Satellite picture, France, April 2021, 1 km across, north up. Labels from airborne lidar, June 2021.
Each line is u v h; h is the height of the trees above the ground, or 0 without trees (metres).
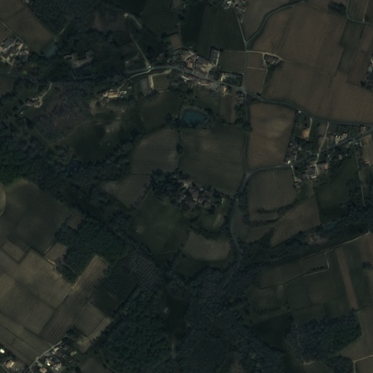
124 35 0
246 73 0
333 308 0
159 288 19
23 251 0
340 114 0
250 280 22
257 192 0
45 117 12
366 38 0
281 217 21
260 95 7
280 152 0
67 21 13
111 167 14
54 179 34
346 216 11
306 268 0
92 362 0
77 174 23
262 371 10
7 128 21
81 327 0
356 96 0
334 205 0
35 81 12
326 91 0
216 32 0
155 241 0
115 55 0
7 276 0
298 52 0
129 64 0
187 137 0
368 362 0
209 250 0
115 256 26
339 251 0
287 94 0
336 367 9
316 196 0
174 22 0
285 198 0
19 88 21
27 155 20
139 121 0
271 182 0
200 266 0
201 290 21
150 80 0
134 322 27
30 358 0
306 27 0
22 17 0
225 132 0
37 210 0
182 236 0
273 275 0
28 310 0
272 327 0
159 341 18
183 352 19
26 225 0
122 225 17
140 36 16
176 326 0
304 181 13
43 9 19
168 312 0
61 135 21
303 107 0
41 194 0
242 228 0
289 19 0
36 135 0
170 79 15
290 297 0
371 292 0
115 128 0
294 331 19
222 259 0
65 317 0
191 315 18
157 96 22
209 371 17
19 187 0
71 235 14
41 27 0
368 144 0
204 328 21
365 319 0
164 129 0
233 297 8
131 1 0
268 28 0
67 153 24
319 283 0
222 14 0
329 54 0
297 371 0
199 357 18
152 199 0
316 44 0
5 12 0
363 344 0
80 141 0
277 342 0
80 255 21
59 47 9
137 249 31
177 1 0
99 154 0
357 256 0
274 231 14
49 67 19
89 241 21
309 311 0
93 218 34
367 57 0
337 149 8
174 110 0
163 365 15
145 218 0
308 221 0
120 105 19
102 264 0
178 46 0
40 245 0
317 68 0
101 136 0
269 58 0
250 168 0
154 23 0
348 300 0
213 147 0
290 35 0
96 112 0
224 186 0
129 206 0
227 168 0
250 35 0
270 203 0
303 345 20
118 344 22
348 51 0
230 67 0
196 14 0
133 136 0
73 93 21
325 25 0
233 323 25
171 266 15
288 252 8
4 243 0
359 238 0
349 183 7
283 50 0
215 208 10
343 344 25
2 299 0
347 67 0
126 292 6
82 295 0
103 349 12
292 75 0
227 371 6
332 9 13
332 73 0
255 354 27
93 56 15
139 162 0
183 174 10
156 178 6
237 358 5
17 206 0
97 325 0
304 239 15
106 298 0
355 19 0
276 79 0
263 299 0
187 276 0
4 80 0
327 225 8
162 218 0
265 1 0
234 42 0
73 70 10
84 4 26
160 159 0
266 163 0
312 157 6
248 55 0
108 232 24
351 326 19
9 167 26
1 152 24
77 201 0
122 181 0
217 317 23
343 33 0
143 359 15
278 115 0
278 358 20
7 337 0
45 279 0
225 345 19
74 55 15
